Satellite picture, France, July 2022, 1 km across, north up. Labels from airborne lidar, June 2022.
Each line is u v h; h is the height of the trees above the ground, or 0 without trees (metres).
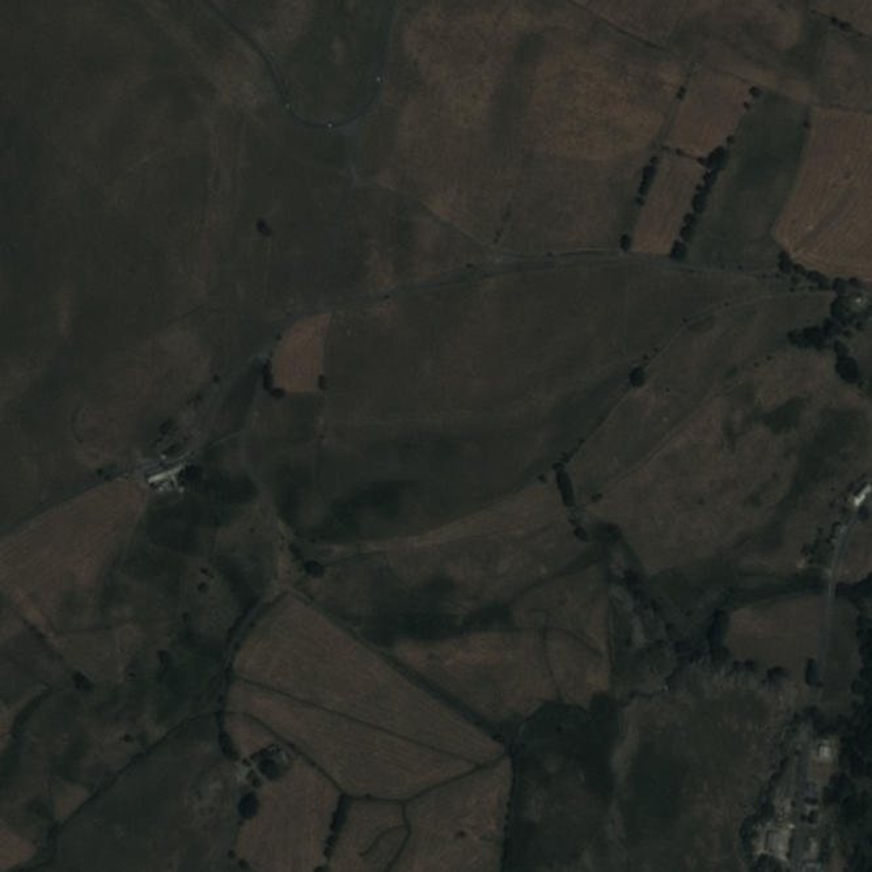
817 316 0
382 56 0
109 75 0
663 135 0
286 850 0
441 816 0
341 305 0
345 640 0
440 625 0
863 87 0
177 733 0
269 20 0
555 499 0
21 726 0
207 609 0
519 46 0
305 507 0
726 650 10
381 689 0
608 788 0
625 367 0
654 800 0
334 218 0
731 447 0
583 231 0
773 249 0
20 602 0
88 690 27
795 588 0
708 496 0
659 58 0
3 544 0
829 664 0
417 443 0
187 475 15
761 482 0
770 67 0
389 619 0
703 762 0
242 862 10
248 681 0
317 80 0
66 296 0
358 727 0
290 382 0
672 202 0
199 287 0
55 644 0
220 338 0
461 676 0
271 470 0
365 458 0
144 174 0
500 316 0
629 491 0
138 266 0
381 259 0
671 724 0
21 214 0
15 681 0
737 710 0
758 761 0
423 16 0
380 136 0
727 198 0
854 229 0
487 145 0
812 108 0
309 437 0
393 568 0
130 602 0
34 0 0
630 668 0
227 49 0
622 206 0
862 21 0
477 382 0
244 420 0
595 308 0
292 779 0
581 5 0
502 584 0
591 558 0
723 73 0
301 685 0
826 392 0
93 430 0
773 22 0
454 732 0
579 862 0
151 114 0
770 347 0
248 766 9
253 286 0
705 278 0
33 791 0
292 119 0
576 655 0
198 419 0
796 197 0
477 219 0
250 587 0
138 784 0
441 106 0
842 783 11
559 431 0
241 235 0
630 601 0
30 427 0
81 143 0
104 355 0
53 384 0
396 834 0
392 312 0
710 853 0
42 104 0
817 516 0
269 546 0
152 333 0
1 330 0
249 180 0
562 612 0
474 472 0
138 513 0
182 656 0
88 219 0
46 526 0
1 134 0
